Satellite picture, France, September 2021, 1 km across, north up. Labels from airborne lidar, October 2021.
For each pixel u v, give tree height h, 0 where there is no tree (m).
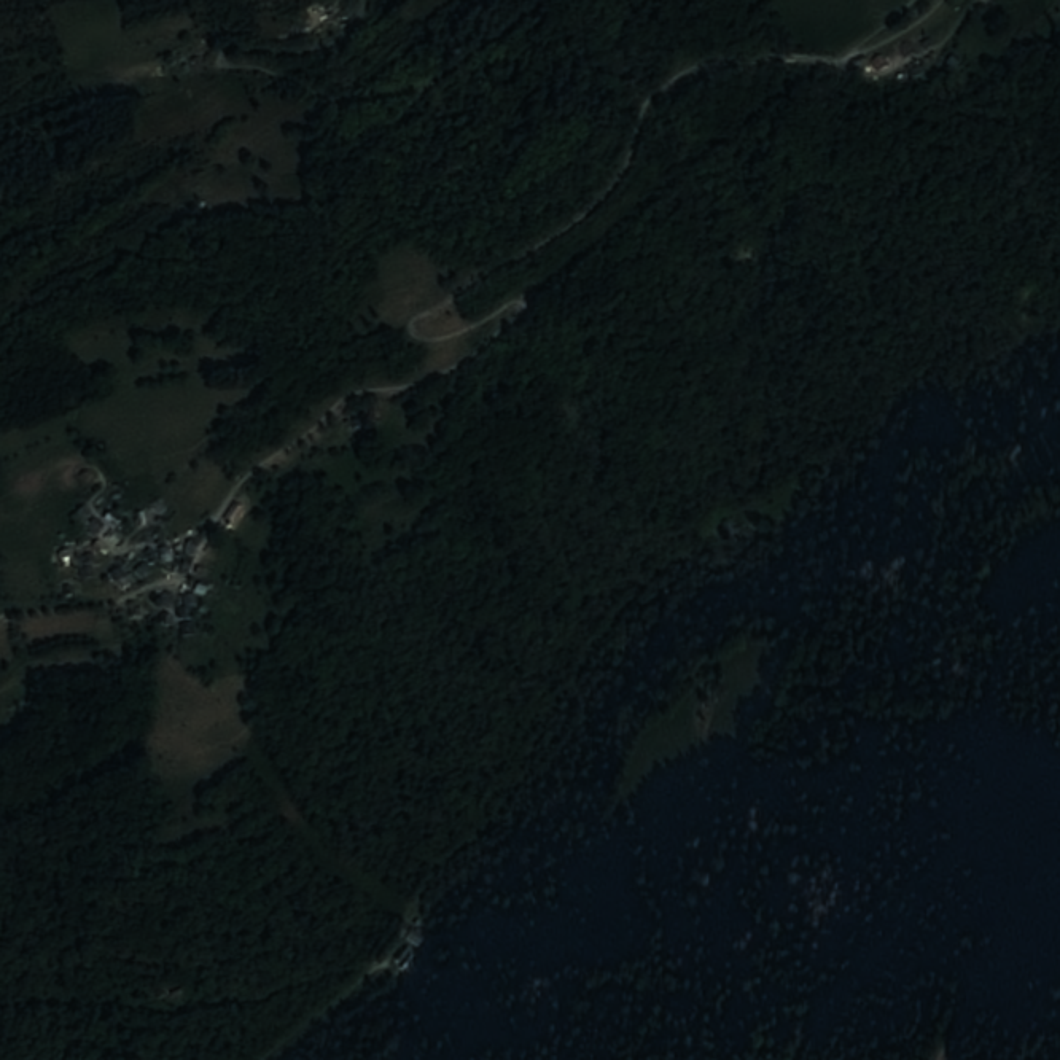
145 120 0
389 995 10
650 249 23
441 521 26
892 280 30
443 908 11
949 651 25
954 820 8
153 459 0
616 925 10
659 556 17
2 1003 13
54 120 19
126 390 0
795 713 26
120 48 0
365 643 29
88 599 0
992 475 14
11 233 7
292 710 29
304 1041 8
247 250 34
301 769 27
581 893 23
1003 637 18
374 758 30
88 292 28
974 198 30
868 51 0
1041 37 0
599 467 25
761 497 19
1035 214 20
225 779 15
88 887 34
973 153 26
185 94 0
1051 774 21
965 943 31
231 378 18
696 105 19
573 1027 26
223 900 27
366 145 17
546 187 22
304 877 19
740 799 7
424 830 17
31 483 0
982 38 0
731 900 8
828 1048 32
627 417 26
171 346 25
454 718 27
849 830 10
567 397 19
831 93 25
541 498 23
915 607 18
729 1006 10
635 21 24
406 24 8
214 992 22
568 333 25
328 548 13
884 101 6
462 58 15
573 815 24
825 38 0
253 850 21
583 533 30
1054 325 20
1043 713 17
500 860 23
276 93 20
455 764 26
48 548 0
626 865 12
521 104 5
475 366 16
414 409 20
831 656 23
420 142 14
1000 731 22
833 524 8
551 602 29
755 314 8
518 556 29
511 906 17
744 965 9
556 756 17
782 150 22
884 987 30
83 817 31
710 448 20
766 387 26
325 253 26
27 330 21
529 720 14
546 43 25
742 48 21
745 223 19
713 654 19
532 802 13
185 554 7
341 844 30
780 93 9
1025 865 28
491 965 28
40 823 25
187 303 27
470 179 21
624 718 29
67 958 27
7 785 29
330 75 6
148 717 23
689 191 23
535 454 25
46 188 31
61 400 21
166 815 22
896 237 30
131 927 11
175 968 16
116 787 28
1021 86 22
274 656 16
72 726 28
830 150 16
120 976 13
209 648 0
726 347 26
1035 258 30
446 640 29
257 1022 21
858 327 30
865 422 22
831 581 19
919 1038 17
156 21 15
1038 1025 22
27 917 16
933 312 27
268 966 31
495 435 29
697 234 30
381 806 24
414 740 30
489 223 18
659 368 27
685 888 21
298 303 27
